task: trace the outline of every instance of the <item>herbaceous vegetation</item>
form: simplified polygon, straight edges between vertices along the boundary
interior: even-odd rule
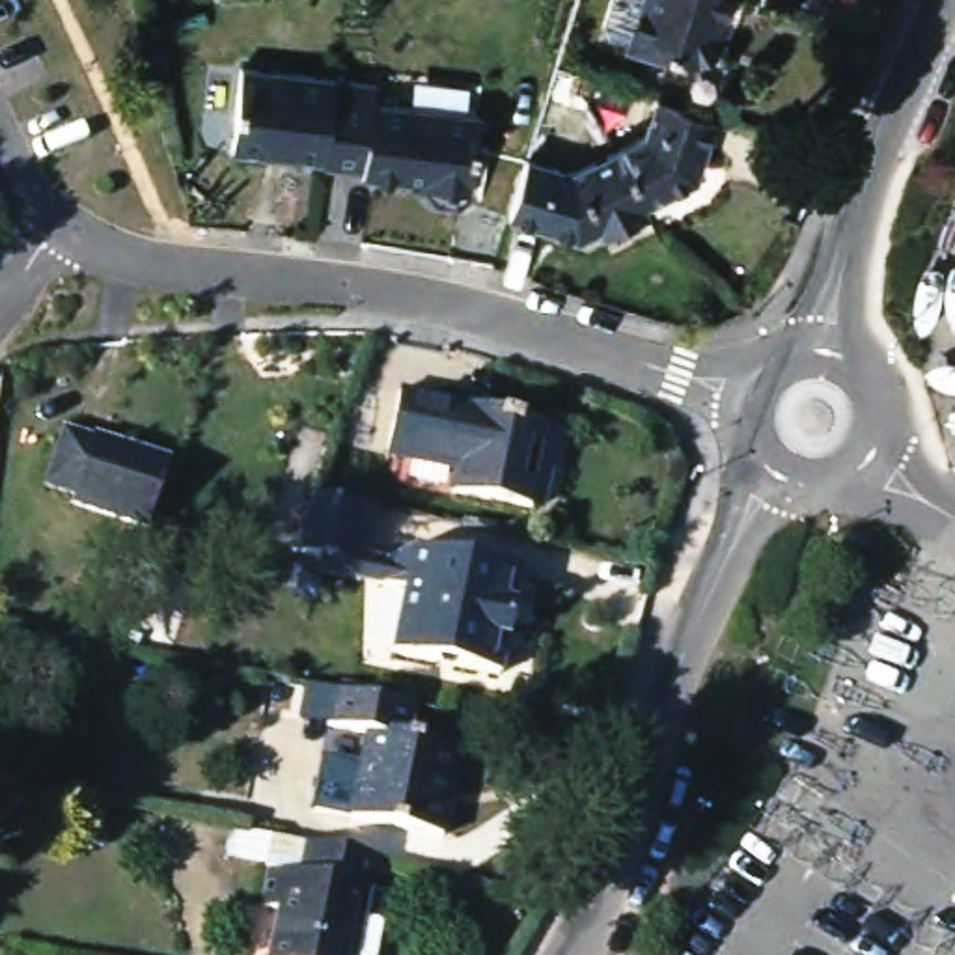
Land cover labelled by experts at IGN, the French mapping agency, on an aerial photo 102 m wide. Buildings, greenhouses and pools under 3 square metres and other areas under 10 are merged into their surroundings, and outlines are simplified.
[[[642,82],[645,101],[657,104],[683,112],[694,134],[724,145],[727,134],[709,104],[694,104],[690,90],[675,75],[664,78],[653,67],[627,60],[623,48],[601,41],[601,19],[608,0],[392,0],[377,22],[377,41],[358,60],[392,67],[392,78],[414,93],[418,86],[466,90],[470,104],[485,93],[507,93],[515,101],[515,123],[504,134],[504,153],[522,157],[530,142],[530,131],[522,127],[526,116],[537,116],[541,93],[552,86],[552,75],[567,75],[571,56],[586,67]]]
[[[515,921],[515,910],[507,903],[489,899],[489,880],[478,865],[448,862],[440,877],[448,880],[451,899],[463,907],[463,914],[481,929],[485,955],[504,955]]]
[[[444,228],[444,213],[422,209],[422,198],[392,190],[384,201],[369,209],[369,220],[358,228],[366,242],[440,254],[451,231]]]
[[[242,940],[254,948],[257,921],[265,910],[261,884],[272,865],[228,854],[209,865],[209,873],[231,892],[224,899],[231,910],[242,910]]]
[[[4,869],[37,877],[34,888],[19,895],[19,907],[30,914],[37,933],[145,948],[164,955],[190,955],[183,892],[175,888],[175,880],[164,884],[157,888],[134,880],[119,865],[116,843],[104,843],[97,836],[86,836],[67,865],[45,854],[4,858]]]
[[[668,310],[668,325],[683,328],[683,339],[690,343],[705,328],[735,321],[716,295],[694,295],[694,272],[705,265],[735,291],[746,284],[746,272],[754,272],[772,235],[795,246],[802,220],[813,213],[798,205],[780,205],[761,190],[754,175],[724,183],[709,205],[694,209],[683,220],[660,220],[657,213],[645,216],[645,228],[627,231],[630,250],[623,254],[556,242],[548,265],[571,272],[574,280],[604,276],[616,298]]]
[[[485,209],[504,213],[511,201],[515,168],[500,160],[500,168],[485,179]]]
[[[131,127],[164,209],[187,220],[183,194],[175,187],[175,157],[190,157],[194,142],[201,138],[205,67],[231,63],[246,71],[257,48],[321,52],[332,41],[339,15],[336,0],[71,0],[104,75],[116,67],[123,78],[157,86],[160,97],[172,104],[168,116],[149,116]]]
[[[858,97],[858,104],[888,116],[918,93],[948,37],[940,0],[768,0],[772,11],[813,19],[813,26],[795,37],[795,52],[772,82],[787,97],[783,104],[802,101],[802,93],[817,86],[847,90]]]
[[[414,746],[407,806],[414,817],[440,824],[444,832],[470,832],[474,824],[496,813],[511,821],[541,795],[563,791],[563,783],[552,772],[541,783],[526,783],[519,795],[481,791],[481,761],[474,761],[463,750],[459,720],[448,713],[463,683],[444,683],[440,675],[425,671],[384,671],[377,686],[377,720],[425,724]]]
[[[806,735],[817,724],[817,713],[798,709],[783,694],[783,683],[776,683],[761,664],[727,660],[716,660],[709,668],[705,686],[694,698],[683,698],[679,660],[660,649],[657,593],[668,582],[657,578],[653,552],[664,541],[668,522],[675,515],[675,500],[683,489],[683,451],[657,451],[649,429],[657,418],[649,410],[604,392],[589,392],[578,373],[567,373],[548,388],[533,388],[500,373],[492,381],[492,392],[500,399],[526,403],[526,414],[519,414],[511,425],[504,485],[533,500],[560,496],[574,481],[578,496],[589,500],[589,522],[597,530],[597,541],[586,552],[608,560],[616,574],[638,574],[645,589],[645,612],[638,627],[623,623],[627,597],[586,597],[574,612],[563,612],[560,619],[567,634],[571,668],[533,668],[533,675],[519,679],[515,686],[533,713],[530,720],[515,724],[519,731],[545,731],[552,739],[563,739],[586,720],[608,720],[634,727],[642,739],[645,746],[657,746],[664,754],[664,772],[653,798],[653,824],[671,824],[671,847],[686,858],[713,843],[720,824],[735,817],[735,806],[742,798],[757,802],[772,798],[787,780],[787,757],[780,757],[780,739]]]
[[[209,783],[201,761],[216,746],[235,742],[261,742],[265,727],[280,720],[284,701],[265,701],[261,686],[242,679],[242,664],[250,653],[313,653],[325,671],[339,675],[362,675],[369,664],[362,645],[362,586],[366,578],[388,578],[388,571],[395,567],[395,548],[407,533],[403,522],[410,515],[433,515],[444,492],[399,478],[377,451],[358,448],[362,407],[351,407],[339,440],[325,451],[321,470],[306,478],[291,474],[291,455],[280,451],[280,436],[269,425],[269,410],[287,418],[287,407],[295,403],[295,384],[287,377],[257,377],[239,354],[239,347],[224,358],[228,388],[220,392],[216,410],[205,422],[205,444],[190,444],[194,403],[198,395],[205,395],[209,381],[205,366],[190,358],[179,343],[160,358],[153,358],[149,351],[149,336],[175,332],[179,321],[198,317],[198,291],[157,295],[153,287],[108,284],[93,272],[67,272],[37,295],[37,313],[19,332],[15,351],[75,347],[78,366],[71,369],[71,377],[34,377],[37,399],[19,407],[11,366],[4,362],[0,362],[0,612],[7,608],[11,616],[19,616],[19,623],[30,612],[63,616],[75,597],[93,589],[93,582],[101,578],[101,556],[112,552],[116,533],[123,526],[134,526],[134,519],[48,481],[48,463],[56,455],[60,433],[75,433],[86,455],[160,478],[160,500],[149,519],[153,530],[175,530],[168,571],[187,571],[198,556],[198,530],[205,526],[205,515],[224,504],[228,511],[239,511],[269,533],[269,563],[284,578],[284,589],[272,593],[269,612],[242,619],[235,627],[235,645],[209,645],[209,619],[201,616],[153,616],[131,630],[131,642],[153,638],[172,645],[168,660],[187,668],[198,683],[190,694],[190,746],[175,750],[175,787],[205,795]]]

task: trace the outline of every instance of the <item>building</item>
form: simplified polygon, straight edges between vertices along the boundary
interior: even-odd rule
[[[627,60],[653,67],[664,78],[675,75],[690,90],[694,104],[709,104],[716,90],[727,82],[727,56],[742,56],[754,34],[742,30],[742,15],[735,7],[754,0],[634,0],[642,19],[623,48]]]
[[[254,948],[254,955],[381,955],[381,910],[392,880],[388,854],[362,843],[354,832],[317,828],[302,843],[295,836],[250,828],[231,832],[228,854],[272,865],[261,884],[265,910],[257,921]]]
[[[336,810],[407,806],[414,746],[425,724],[377,720],[377,686],[306,686],[306,739],[317,739],[325,750],[313,787],[317,802]]]
[[[369,209],[384,201],[392,190],[422,198],[451,198],[485,209],[485,179],[500,168],[500,160],[504,153],[504,134],[515,123],[515,101],[507,93],[485,93],[470,104],[466,112],[418,108],[414,93],[392,78],[392,67],[358,60],[347,45],[332,41],[321,52],[257,48],[246,71],[242,112],[250,127],[235,153],[239,160],[265,164],[306,164],[313,175],[332,179],[339,175],[351,190],[362,187],[369,194]]]
[[[694,134],[683,112],[657,104],[657,116],[645,116],[638,127],[601,142],[608,160],[578,168],[571,183],[560,183],[556,175],[541,175],[537,168],[530,168],[526,201],[519,213],[522,231],[556,242],[623,254],[630,250],[627,231],[645,228],[645,216],[657,213],[675,198],[686,198],[701,183],[705,168],[724,164],[724,145]]]
[[[511,425],[519,414],[526,414],[526,403],[500,399],[492,392],[492,381],[500,373],[489,366],[455,381],[425,377],[407,384],[392,444],[407,459],[444,463],[466,485],[504,485]]]
[[[403,578],[403,612],[395,630],[399,642],[463,645],[496,664],[526,660],[537,638],[560,619],[563,612],[574,612],[586,597],[597,586],[597,578],[571,574],[571,556],[563,548],[548,548],[545,541],[533,541],[522,515],[504,537],[492,537],[485,526],[448,530],[440,537],[407,533],[395,548],[395,567],[388,571],[388,578]]]
[[[48,481],[134,519],[149,519],[160,500],[160,478],[86,455],[75,433],[60,433],[56,455],[48,463]]]

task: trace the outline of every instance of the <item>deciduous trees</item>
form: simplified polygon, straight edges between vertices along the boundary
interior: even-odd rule
[[[761,190],[780,205],[798,205],[813,213],[843,209],[873,172],[873,142],[865,123],[854,116],[858,104],[858,97],[847,90],[817,86],[802,93],[802,101],[783,104],[776,112],[761,112],[761,123],[750,134],[754,175]]]
[[[205,515],[205,526],[198,530],[198,556],[187,571],[168,571],[175,530],[153,530],[149,519],[134,519],[134,526],[123,526],[116,533],[112,552],[101,556],[101,578],[93,582],[93,589],[75,597],[63,616],[30,612],[19,623],[19,616],[11,616],[7,608],[0,612],[0,921],[19,907],[19,895],[34,888],[37,877],[4,869],[4,858],[45,854],[63,832],[63,795],[71,787],[82,791],[78,802],[90,813],[101,817],[97,836],[104,843],[116,843],[131,828],[134,813],[142,810],[142,798],[149,795],[168,798],[175,787],[175,750],[190,746],[190,694],[198,683],[187,668],[168,660],[172,645],[153,638],[131,642],[131,630],[153,616],[201,616],[209,619],[209,645],[235,645],[235,627],[242,619],[269,612],[272,593],[284,589],[284,578],[269,563],[269,533],[239,511],[228,511],[224,504]]]
[[[552,739],[545,731],[519,731],[515,724],[530,720],[533,713],[515,686],[485,690],[478,683],[463,683],[448,713],[459,720],[463,750],[474,761],[481,761],[481,791],[519,795],[526,783],[541,783],[552,772],[563,783],[563,791],[541,795],[511,821],[504,847],[478,865],[489,880],[489,899],[507,903],[515,910],[515,921],[522,918],[548,929],[552,918],[586,910],[593,899],[601,899],[604,888],[616,888],[619,880],[619,813],[630,810],[627,795],[645,776],[642,739],[634,727],[608,720],[586,720],[563,739]]]
[[[451,899],[448,880],[440,877],[448,862],[425,858],[414,873],[392,880],[381,910],[381,955],[485,955],[481,929],[463,914],[463,907]]]

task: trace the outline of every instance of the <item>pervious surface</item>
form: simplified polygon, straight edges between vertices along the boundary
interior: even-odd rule
[[[209,865],[228,854],[231,832],[201,824],[190,836],[187,824],[142,810],[134,813],[131,828],[164,851],[164,884],[175,880],[175,888],[183,892],[190,955],[205,955],[205,910],[213,899],[224,899],[231,892],[209,873]]]

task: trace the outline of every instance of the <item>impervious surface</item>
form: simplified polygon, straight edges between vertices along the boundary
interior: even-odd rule
[[[325,451],[325,436],[306,429],[291,455],[291,474],[306,478],[321,470]]]
[[[317,828],[354,832],[362,843],[388,854],[392,880],[414,873],[425,858],[448,862],[478,865],[504,847],[511,821],[496,813],[474,824],[470,832],[444,832],[440,824],[414,817],[407,806],[336,810],[317,802],[313,787],[325,750],[317,739],[306,739],[306,686],[298,683],[284,701],[280,720],[265,727],[261,742],[235,742],[235,757],[239,765],[246,765],[254,780],[242,787],[209,783],[205,795],[175,787],[168,798],[242,813],[250,828],[295,836],[302,843]]]
[[[586,910],[552,918],[548,929],[533,955],[638,955],[627,951],[634,940],[634,921],[627,914],[634,914],[642,899],[657,892],[675,899],[675,955],[955,955],[955,205],[936,235],[925,276],[914,295],[914,328],[918,336],[933,339],[929,369],[918,369],[907,358],[884,317],[884,269],[907,179],[918,157],[929,153],[921,123],[955,60],[955,0],[940,0],[948,37],[918,93],[888,116],[858,104],[854,116],[865,123],[873,142],[873,172],[843,209],[813,213],[802,220],[795,246],[787,265],[772,280],[768,295],[757,298],[735,321],[705,328],[690,343],[683,339],[683,328],[668,325],[623,317],[619,328],[604,328],[593,321],[593,310],[578,298],[541,298],[530,272],[548,265],[556,242],[522,231],[519,213],[526,201],[530,168],[537,168],[541,175],[556,175],[560,183],[571,183],[578,168],[608,160],[601,142],[638,127],[645,116],[657,116],[657,104],[645,101],[612,112],[612,97],[589,90],[578,93],[574,78],[567,75],[552,75],[552,86],[541,93],[537,116],[526,116],[522,127],[530,131],[530,142],[522,157],[504,153],[500,160],[515,168],[511,201],[504,213],[485,209],[451,198],[422,198],[422,209],[444,213],[444,228],[451,231],[440,254],[366,242],[358,228],[369,220],[369,209],[369,194],[362,187],[351,190],[339,175],[332,179],[325,235],[313,242],[298,242],[284,235],[284,224],[295,224],[302,216],[313,175],[306,164],[265,164],[261,183],[254,183],[242,198],[254,213],[250,231],[194,228],[187,220],[164,209],[131,127],[104,75],[71,0],[0,0],[0,362],[4,362],[15,351],[19,332],[37,313],[37,295],[67,272],[93,272],[108,284],[153,287],[157,295],[198,291],[198,317],[179,321],[175,332],[216,332],[224,325],[235,325],[239,347],[239,354],[257,377],[287,377],[310,366],[313,351],[295,351],[287,358],[261,354],[257,343],[276,328],[306,328],[306,336],[369,332],[373,354],[362,388],[369,388],[373,395],[362,407],[358,448],[377,451],[399,478],[444,492],[433,515],[410,515],[403,522],[407,533],[440,537],[448,530],[485,526],[492,537],[504,537],[522,515],[522,507],[533,500],[504,485],[466,485],[444,463],[407,459],[392,444],[407,384],[425,377],[455,381],[489,366],[496,354],[519,354],[567,373],[578,373],[604,377],[627,392],[657,395],[694,422],[701,451],[698,492],[690,500],[690,537],[668,582],[657,593],[660,649],[679,660],[683,698],[694,698],[705,686],[709,668],[716,660],[727,660],[761,664],[776,683],[783,683],[783,694],[798,709],[817,713],[817,724],[806,735],[780,739],[780,757],[787,757],[787,780],[772,798],[757,802],[761,821],[742,836],[742,843],[727,858],[720,854],[701,869],[683,869],[686,858],[671,847],[671,824],[653,824],[653,798],[664,772],[664,754],[657,746],[645,746],[642,739],[645,776],[627,795],[630,810],[619,813],[619,880],[616,888],[604,888],[601,899],[593,899]],[[757,649],[739,645],[727,634],[727,623],[742,601],[742,589],[754,574],[761,548],[780,526],[810,515],[828,533],[839,533],[843,552],[858,563],[858,586],[843,601],[824,604],[824,634],[832,645],[813,649],[810,642],[787,642],[772,623],[776,616],[765,616],[761,627],[754,627]]]
[[[645,589],[638,574],[616,574],[608,560],[586,552],[571,556],[571,574],[597,578],[597,586],[586,597],[627,597],[623,623],[638,627],[645,612]]]
[[[250,127],[242,112],[246,71],[231,63],[205,67],[201,138],[213,149],[235,153]]]
[[[608,0],[601,19],[601,41],[623,48],[642,19],[634,0]]]
[[[466,90],[418,86],[414,93],[418,108],[466,112],[470,104]]]
[[[709,205],[724,183],[754,175],[750,134],[727,134],[724,145],[724,164],[705,168],[701,183],[686,198],[675,198],[657,213],[660,220],[683,220],[694,209]]]
[[[496,664],[463,645],[399,642],[395,630],[403,612],[403,578],[388,578],[366,578],[362,586],[362,645],[369,664],[384,671],[425,671],[440,675],[444,683],[463,683],[478,683],[485,690],[515,686],[519,679],[533,675],[533,668],[533,660],[526,660]]]

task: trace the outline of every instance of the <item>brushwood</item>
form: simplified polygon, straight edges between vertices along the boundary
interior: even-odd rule
[[[824,604],[843,601],[858,586],[858,563],[843,552],[839,533],[828,533],[810,515],[780,526],[761,548],[754,574],[742,589],[742,601],[727,623],[727,634],[739,645],[757,649],[754,627],[761,627],[765,616],[776,616],[772,623],[787,642],[810,642],[813,649],[832,645],[824,634]]]
[[[746,272],[746,284],[735,291],[705,265],[694,272],[694,295],[716,295],[735,321],[757,298],[768,295],[772,280],[787,265],[795,246],[772,235],[754,272]]]
[[[116,67],[104,75],[131,127],[149,116],[168,116],[172,104],[160,97],[157,86],[123,78]]]
[[[533,541],[545,541],[548,548],[563,548],[571,556],[586,552],[597,541],[597,530],[589,522],[589,500],[578,496],[574,481],[560,496],[533,500],[522,507],[522,515]]]
[[[224,899],[213,899],[205,910],[205,955],[254,955],[254,948],[242,940],[242,910],[231,910]]]
[[[239,347],[235,325],[224,325],[216,332],[175,332],[149,336],[149,351],[153,358],[160,358],[179,343],[190,358],[205,366],[209,381],[205,395],[198,395],[194,403],[190,444],[205,444],[205,422],[216,410],[220,392],[228,388],[224,358]]]
[[[164,851],[131,828],[116,843],[119,865],[134,880],[157,888],[164,884]]]
[[[701,451],[694,422],[657,395],[627,392],[604,377],[578,373],[589,392],[604,392],[649,410],[657,418],[649,429],[657,451],[683,451],[683,489],[675,500],[675,515],[668,522],[664,541],[653,552],[657,578],[668,582],[690,537],[690,500],[698,492]]]
[[[586,67],[571,56],[567,75],[574,78],[578,93],[589,90],[612,97],[612,112],[645,101],[642,82]]]
[[[19,407],[37,399],[34,377],[71,377],[71,369],[78,366],[75,347],[15,351],[4,362],[11,366]]]
[[[0,921],[0,955],[164,955],[145,948],[37,933],[30,914],[19,907]]]
[[[638,955],[675,955],[675,899],[657,892],[642,899],[634,914],[627,914],[634,921],[634,940],[627,951]]]
[[[519,354],[496,354],[489,366],[500,373],[533,388],[548,388],[567,373]]]
[[[332,41],[347,45],[358,60],[377,41],[377,22],[392,0],[336,0],[339,15]]]
[[[284,235],[298,242],[313,242],[325,235],[332,179],[313,175],[302,216],[295,224],[284,224]]]
[[[787,97],[772,82],[795,52],[795,37],[813,26],[813,19],[772,11],[768,0],[754,0],[735,7],[742,15],[742,30],[754,34],[742,56],[727,56],[727,82],[716,90],[709,104],[727,134],[750,134],[761,123],[761,112],[776,112],[783,104]]]
[[[142,798],[142,810],[187,824],[190,836],[201,824],[231,832],[250,828],[242,813],[168,798],[149,795]]]
[[[246,765],[239,765],[235,757],[235,742],[216,746],[201,761],[209,783],[242,787],[254,780]]]
[[[183,194],[187,220],[194,228],[250,231],[254,213],[242,198],[254,183],[261,183],[265,164],[239,160],[235,153],[213,149],[201,138],[194,142],[190,157],[175,157],[175,187]]]
[[[313,653],[250,653],[242,664],[242,679],[261,686],[265,701],[284,701],[298,683],[306,686],[377,686],[384,671],[369,664],[362,675],[339,675],[325,671]]]
[[[313,351],[310,366],[287,377],[295,384],[295,403],[287,407],[287,418],[269,410],[269,425],[280,436],[280,451],[291,455],[306,429],[325,436],[325,451],[339,440],[351,407],[362,407],[373,395],[369,388],[362,388],[373,354],[369,332],[306,336],[306,328],[276,328],[257,343],[261,354],[287,358],[295,351]]]
[[[727,858],[742,843],[742,836],[761,821],[757,802],[742,798],[735,806],[735,817],[720,824],[713,843],[686,858],[683,869],[701,869],[720,854]]]
[[[63,832],[45,854],[67,865],[86,836],[97,836],[101,817],[90,813],[78,802],[82,791],[71,787],[63,795]]]
[[[616,298],[604,276],[574,280],[571,272],[548,265],[530,272],[541,298],[578,298],[593,310],[593,321],[604,328],[619,328],[623,317],[668,325],[668,310]]]
[[[884,269],[884,317],[907,358],[918,369],[929,369],[933,339],[918,336],[914,328],[914,295],[925,276],[936,235],[955,205],[955,60],[921,123],[929,153],[918,157],[907,179]]]
[[[522,918],[515,921],[504,955],[533,955],[548,929]]]
[[[526,660],[533,660],[533,668],[571,668],[567,634],[560,619],[537,638]]]

